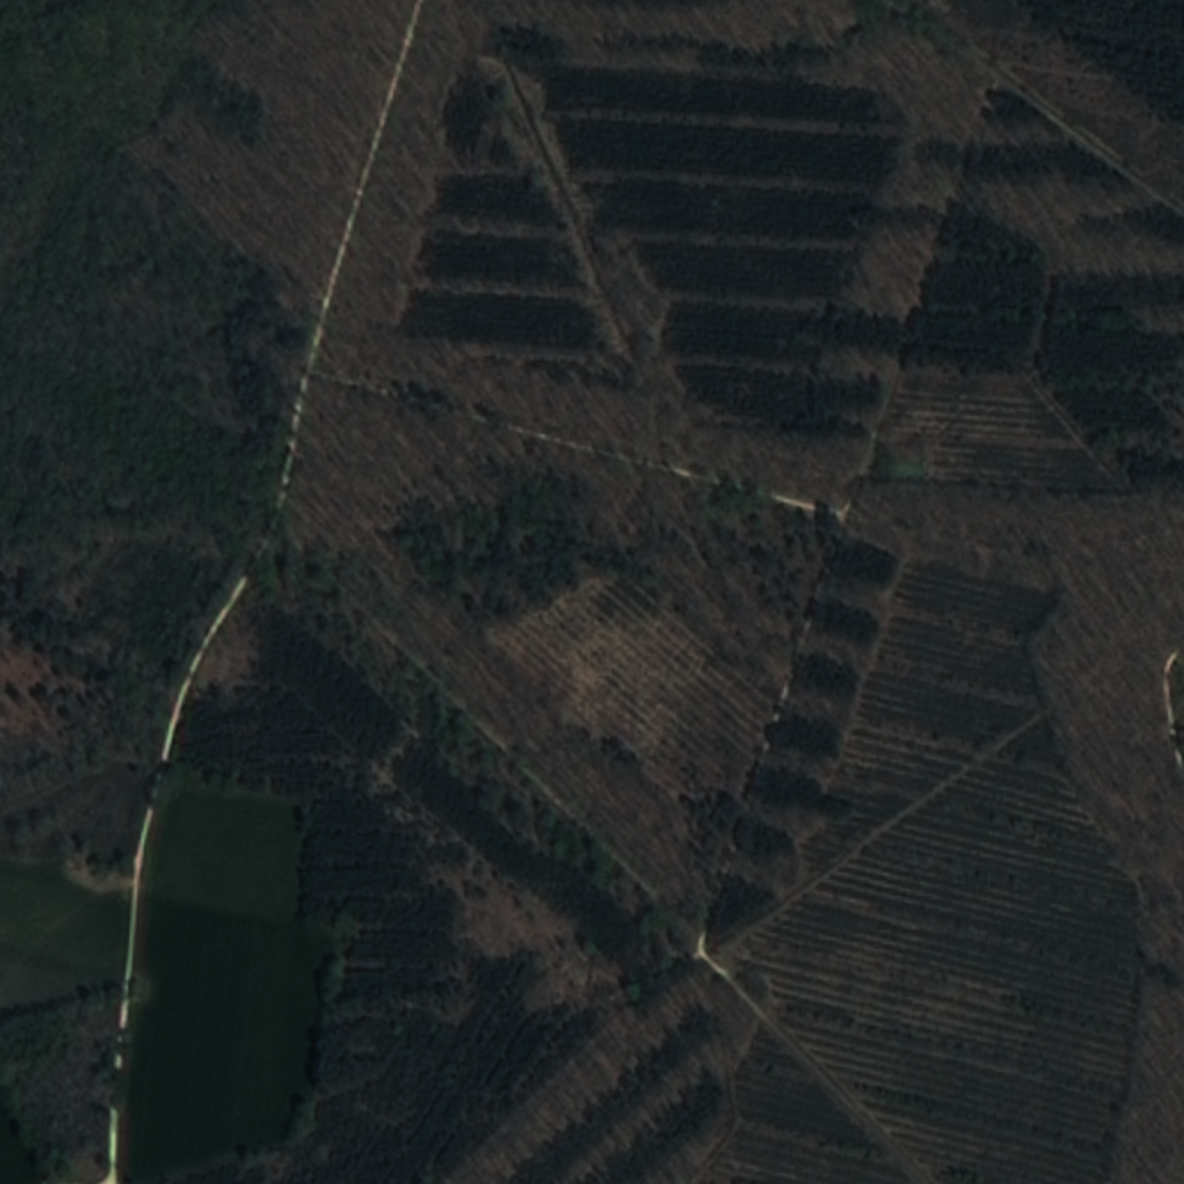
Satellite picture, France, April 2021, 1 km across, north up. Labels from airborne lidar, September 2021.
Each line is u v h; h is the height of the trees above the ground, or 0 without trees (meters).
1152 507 22
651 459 25
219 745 10
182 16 19
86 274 18
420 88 22
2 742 9
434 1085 9
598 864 18
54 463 19
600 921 10
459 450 29
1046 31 11
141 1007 0
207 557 13
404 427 28
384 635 21
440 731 14
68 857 16
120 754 12
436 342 15
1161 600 26
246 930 0
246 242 20
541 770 25
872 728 7
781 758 12
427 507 26
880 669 8
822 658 19
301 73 24
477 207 6
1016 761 8
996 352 15
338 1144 9
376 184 24
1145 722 26
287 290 26
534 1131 24
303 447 23
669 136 9
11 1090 13
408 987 9
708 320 6
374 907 11
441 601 25
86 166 20
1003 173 14
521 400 22
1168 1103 26
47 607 7
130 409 23
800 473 21
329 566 22
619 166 6
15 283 18
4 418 19
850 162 9
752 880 20
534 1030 11
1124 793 24
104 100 22
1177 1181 26
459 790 11
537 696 23
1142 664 23
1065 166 16
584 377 16
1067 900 9
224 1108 0
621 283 18
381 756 7
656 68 18
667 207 6
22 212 22
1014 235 19
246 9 22
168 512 18
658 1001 18
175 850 0
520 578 19
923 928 12
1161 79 12
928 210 21
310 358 19
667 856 29
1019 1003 7
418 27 21
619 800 29
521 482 25
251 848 0
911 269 21
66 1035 18
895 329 15
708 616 28
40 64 18
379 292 21
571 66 18
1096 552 22
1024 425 0
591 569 20
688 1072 20
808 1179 0
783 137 7
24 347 18
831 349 16
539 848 10
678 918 23
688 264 6
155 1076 0
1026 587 20
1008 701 12
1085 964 6
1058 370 15
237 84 16
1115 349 17
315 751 9
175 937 0
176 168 21
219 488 22
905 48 23
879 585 14
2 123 16
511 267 6
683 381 7
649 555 25
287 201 24
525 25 19
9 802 13
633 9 17
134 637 9
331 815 12
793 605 11
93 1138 9
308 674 10
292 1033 0
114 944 0
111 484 17
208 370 14
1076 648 26
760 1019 17
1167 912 22
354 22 24
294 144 21
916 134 22
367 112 24
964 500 21
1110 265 23
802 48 18
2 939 0
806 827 21
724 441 18
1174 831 20
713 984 9
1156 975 22
